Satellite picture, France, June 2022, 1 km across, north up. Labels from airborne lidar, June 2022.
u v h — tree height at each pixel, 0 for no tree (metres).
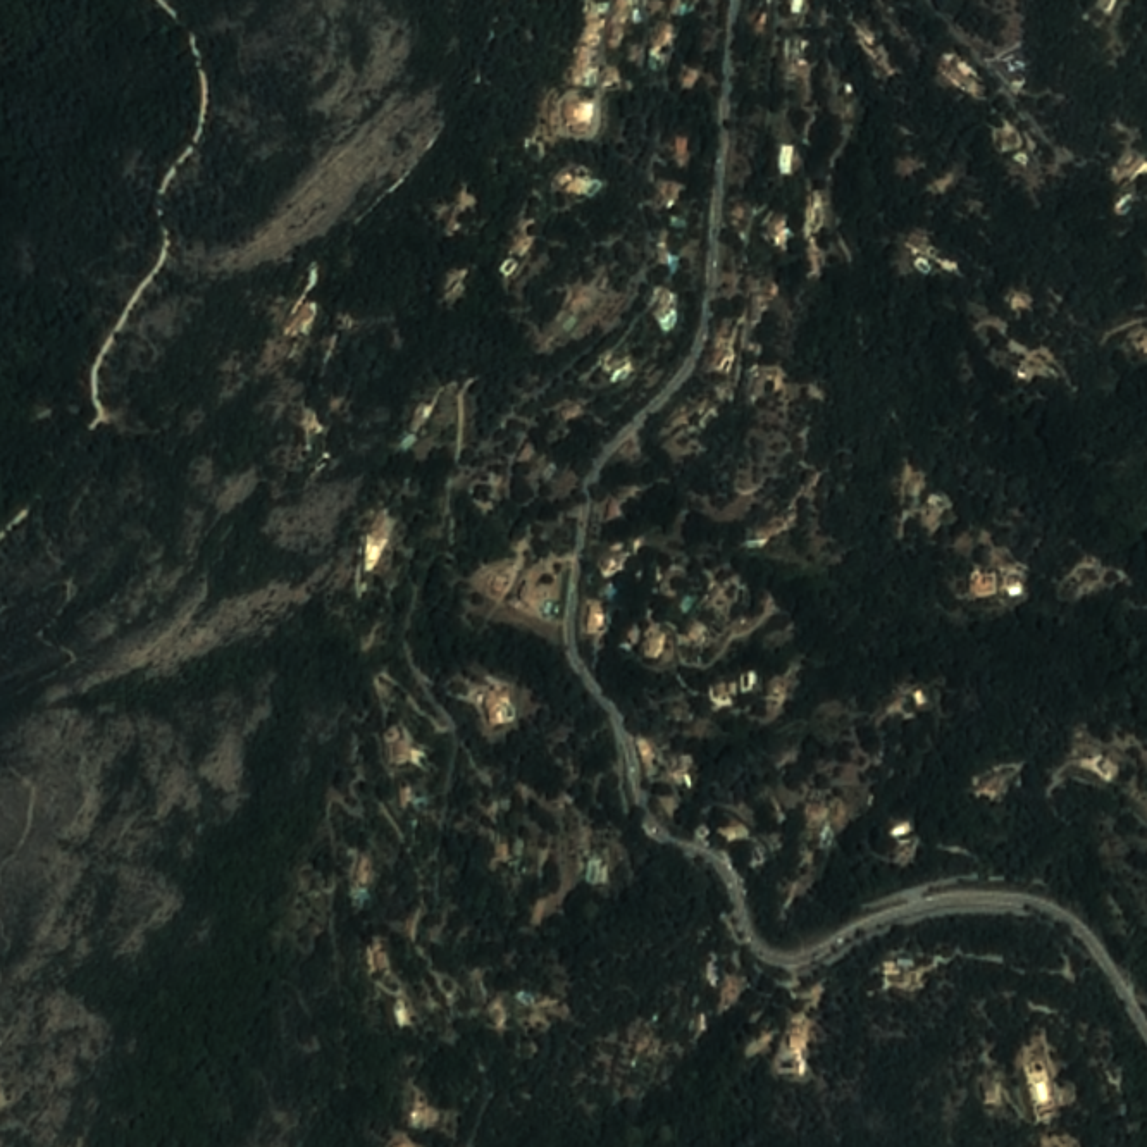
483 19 12
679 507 14
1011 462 16
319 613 11
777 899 13
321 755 10
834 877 17
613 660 18
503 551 8
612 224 9
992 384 13
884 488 14
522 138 18
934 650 14
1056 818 7
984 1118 11
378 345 11
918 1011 10
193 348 9
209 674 10
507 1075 11
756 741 8
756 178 14
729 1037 19
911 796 9
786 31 11
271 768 10
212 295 9
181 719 8
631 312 6
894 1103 6
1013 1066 11
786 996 14
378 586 10
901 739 13
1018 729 9
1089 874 11
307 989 7
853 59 9
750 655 13
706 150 15
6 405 9
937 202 9
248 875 13
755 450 8
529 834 14
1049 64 12
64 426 9
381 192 11
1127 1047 10
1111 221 12
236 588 11
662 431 11
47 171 14
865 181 7
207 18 7
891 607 10
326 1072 15
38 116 15
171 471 7
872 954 10
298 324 0
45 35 12
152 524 12
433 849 9
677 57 10
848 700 6
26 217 7
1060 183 8
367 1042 17
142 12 9
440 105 9
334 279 13
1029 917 7
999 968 9
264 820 15
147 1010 14
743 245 7
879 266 11
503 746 11
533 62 9
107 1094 11
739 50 12
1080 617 12
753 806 6
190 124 7
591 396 13
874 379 15
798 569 9
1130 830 14
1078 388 10
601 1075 9
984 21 12
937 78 12
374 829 8
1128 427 8
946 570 10
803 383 14
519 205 12
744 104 9
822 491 12
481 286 12
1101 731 12
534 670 13
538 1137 11
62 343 10
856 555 14
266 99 7
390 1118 13
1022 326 12
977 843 9
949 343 17
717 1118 9
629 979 11
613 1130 18
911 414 9
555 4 14
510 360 16
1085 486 17
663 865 15
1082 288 12
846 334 11
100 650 0
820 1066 16
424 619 5
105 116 10
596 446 15
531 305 8
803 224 17
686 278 8
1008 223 13
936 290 19
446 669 10
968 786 10
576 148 11
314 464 10
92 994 9
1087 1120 11
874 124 14
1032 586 13
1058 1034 11
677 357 7
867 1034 9
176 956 10
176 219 13
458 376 18
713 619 8
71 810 0
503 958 6
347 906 12
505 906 19
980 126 13
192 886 7
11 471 9
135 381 8
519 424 14
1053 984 8
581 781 7
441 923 7
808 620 14
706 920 11
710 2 7
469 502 14
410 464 18
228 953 13
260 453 7
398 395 13
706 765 13
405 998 0
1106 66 9
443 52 8
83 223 7
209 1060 12
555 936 15
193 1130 10
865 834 14
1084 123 11
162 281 6
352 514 6
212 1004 17
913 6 13
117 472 7
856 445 11
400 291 17
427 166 13
